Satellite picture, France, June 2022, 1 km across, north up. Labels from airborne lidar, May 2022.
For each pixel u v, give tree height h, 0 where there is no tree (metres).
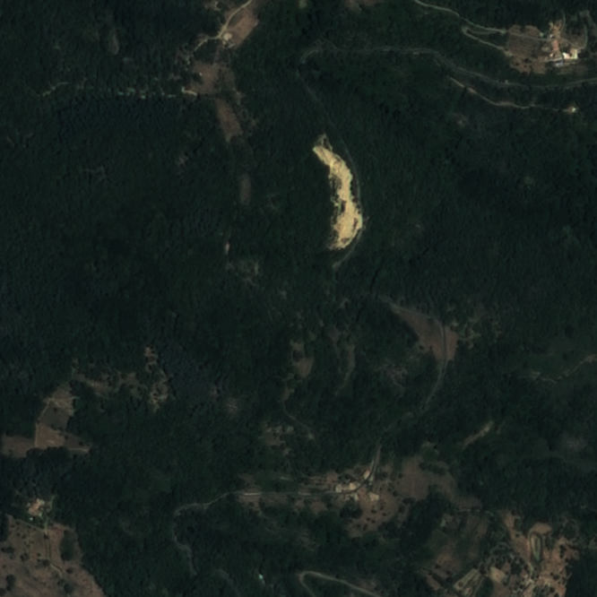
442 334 0
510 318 8
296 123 9
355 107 16
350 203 0
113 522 11
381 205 11
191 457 14
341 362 10
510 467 12
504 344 10
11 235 13
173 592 7
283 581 9
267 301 10
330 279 10
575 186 20
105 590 16
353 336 10
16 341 17
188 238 20
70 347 14
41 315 15
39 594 0
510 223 20
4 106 19
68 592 14
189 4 14
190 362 27
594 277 6
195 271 14
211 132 15
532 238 17
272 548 11
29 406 16
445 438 14
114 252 13
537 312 10
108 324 19
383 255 9
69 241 14
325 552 12
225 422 9
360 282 18
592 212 12
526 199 12
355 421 9
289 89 10
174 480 12
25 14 17
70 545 0
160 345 14
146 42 13
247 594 10
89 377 14
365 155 10
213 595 8
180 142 14
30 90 12
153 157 13
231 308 9
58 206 13
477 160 6
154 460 9
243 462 8
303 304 10
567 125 14
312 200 10
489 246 9
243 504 6
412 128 13
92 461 6
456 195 18
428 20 12
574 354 7
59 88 7
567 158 8
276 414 6
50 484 14
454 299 8
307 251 18
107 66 13
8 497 12
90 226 17
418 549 8
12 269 16
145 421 14
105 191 15
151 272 7
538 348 10
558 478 12
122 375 7
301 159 14
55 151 13
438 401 12
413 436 17
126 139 17
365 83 6
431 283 11
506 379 9
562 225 9
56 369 15
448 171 22
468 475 6
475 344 8
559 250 10
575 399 6
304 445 12
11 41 16
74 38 11
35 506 0
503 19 17
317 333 9
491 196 16
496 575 0
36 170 17
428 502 7
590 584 11
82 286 18
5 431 7
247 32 0
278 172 11
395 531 8
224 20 10
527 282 6
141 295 12
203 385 24
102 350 16
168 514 19
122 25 7
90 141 17
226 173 17
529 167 6
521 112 10
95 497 15
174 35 11
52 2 9
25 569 0
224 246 13
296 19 8
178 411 15
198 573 8
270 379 14
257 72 13
